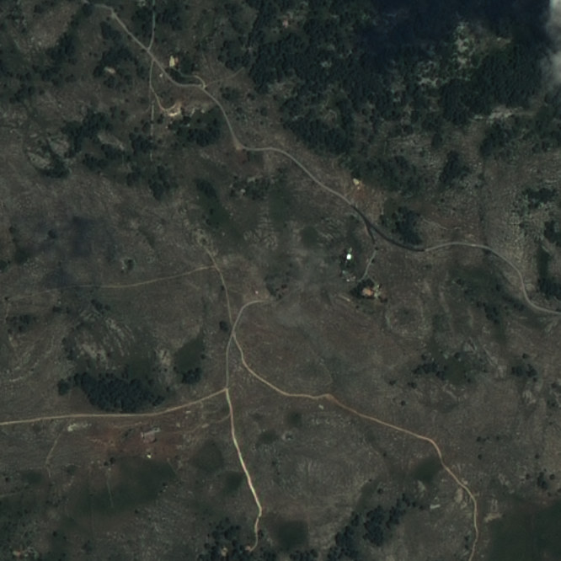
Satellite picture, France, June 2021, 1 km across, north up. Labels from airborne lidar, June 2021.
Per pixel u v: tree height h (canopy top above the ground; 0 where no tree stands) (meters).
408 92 10
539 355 0
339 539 13
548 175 0
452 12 0
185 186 0
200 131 11
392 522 10
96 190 0
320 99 7
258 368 0
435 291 0
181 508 0
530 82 16
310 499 0
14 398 0
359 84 12
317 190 0
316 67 12
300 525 0
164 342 0
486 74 13
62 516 0
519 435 0
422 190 0
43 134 0
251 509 0
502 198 0
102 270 0
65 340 8
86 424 0
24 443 0
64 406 0
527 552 0
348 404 0
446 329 0
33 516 0
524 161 0
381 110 10
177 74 12
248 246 0
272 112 0
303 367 0
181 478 0
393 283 0
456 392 0
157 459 0
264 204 0
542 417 0
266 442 0
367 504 0
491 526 0
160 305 0
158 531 0
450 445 0
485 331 0
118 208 0
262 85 7
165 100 0
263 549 8
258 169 0
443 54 7
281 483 0
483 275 0
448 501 0
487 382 0
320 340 0
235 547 15
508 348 0
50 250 0
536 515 0
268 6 9
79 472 0
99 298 0
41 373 0
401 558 0
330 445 0
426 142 0
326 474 0
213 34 0
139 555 0
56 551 0
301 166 0
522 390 0
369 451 0
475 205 0
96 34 0
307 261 0
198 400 0
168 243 0
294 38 9
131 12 0
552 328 0
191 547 0
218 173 0
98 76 7
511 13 20
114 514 0
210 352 0
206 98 0
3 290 0
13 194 0
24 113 0
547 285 13
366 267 0
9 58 0
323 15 0
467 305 0
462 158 0
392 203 0
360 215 0
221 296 0
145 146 12
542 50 20
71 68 0
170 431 0
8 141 0
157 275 0
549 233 6
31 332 0
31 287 0
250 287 0
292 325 0
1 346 0
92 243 0
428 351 0
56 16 0
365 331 0
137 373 0
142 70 7
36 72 7
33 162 0
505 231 0
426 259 0
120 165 0
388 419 0
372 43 9
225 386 0
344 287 0
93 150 0
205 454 0
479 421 0
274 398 0
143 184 0
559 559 0
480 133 0
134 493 0
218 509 0
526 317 0
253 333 0
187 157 0
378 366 0
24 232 0
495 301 0
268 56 12
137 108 0
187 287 0
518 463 0
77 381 11
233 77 0
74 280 0
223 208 0
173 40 0
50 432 0
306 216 0
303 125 12
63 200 0
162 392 0
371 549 0
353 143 8
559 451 0
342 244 0
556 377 0
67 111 0
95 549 0
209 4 0
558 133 10
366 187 0
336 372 0
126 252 0
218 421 0
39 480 0
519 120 7
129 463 0
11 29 0
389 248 0
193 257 0
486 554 0
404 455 0
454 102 15
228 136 0
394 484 0
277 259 0
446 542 0
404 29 12
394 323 0
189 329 0
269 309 0
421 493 0
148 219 0
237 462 0
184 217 0
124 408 12
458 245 0
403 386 0
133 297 0
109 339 0
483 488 0
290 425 0
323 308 0
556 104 8
